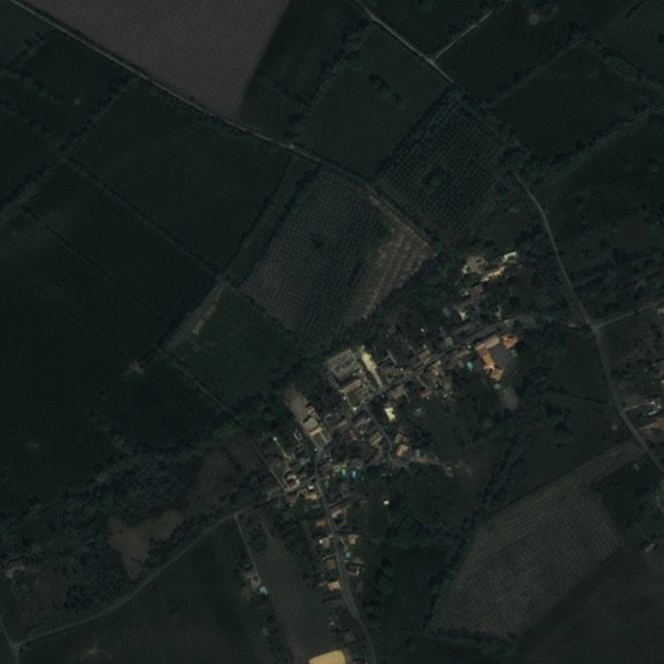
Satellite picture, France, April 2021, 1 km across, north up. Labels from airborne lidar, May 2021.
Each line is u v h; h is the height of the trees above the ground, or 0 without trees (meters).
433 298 11
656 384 0
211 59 0
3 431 0
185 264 0
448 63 0
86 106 0
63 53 0
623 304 6
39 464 0
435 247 8
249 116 0
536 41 0
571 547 0
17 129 0
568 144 0
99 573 17
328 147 0
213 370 0
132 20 0
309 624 0
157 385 0
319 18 0
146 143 0
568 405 0
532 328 0
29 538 0
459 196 0
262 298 0
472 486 0
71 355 0
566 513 0
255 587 0
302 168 0
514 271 14
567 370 0
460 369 10
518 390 0
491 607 0
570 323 14
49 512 0
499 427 20
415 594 0
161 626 0
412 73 0
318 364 15
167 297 0
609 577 0
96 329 0
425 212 0
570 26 0
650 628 0
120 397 0
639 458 0
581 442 0
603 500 0
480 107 14
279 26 0
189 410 0
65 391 0
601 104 0
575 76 0
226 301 0
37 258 0
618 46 0
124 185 0
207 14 0
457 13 0
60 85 0
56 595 0
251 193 0
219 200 0
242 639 0
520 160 17
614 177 0
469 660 0
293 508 10
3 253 0
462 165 0
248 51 0
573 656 0
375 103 0
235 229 0
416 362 0
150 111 0
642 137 0
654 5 0
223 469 0
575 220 0
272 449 7
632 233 0
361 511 11
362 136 0
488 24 0
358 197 0
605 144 9
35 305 0
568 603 0
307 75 0
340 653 0
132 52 0
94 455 0
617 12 0
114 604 11
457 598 0
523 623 0
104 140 0
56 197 0
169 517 0
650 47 0
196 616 0
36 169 0
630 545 0
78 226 0
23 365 0
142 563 6
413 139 14
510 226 0
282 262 0
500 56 0
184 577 0
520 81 17
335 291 0
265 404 19
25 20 0
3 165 0
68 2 0
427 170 0
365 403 0
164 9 0
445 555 10
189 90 0
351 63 23
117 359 0
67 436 0
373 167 0
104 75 0
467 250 12
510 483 12
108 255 0
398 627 0
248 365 0
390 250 0
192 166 0
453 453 0
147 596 0
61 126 0
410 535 20
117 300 0
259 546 14
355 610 0
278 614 0
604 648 0
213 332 0
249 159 0
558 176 12
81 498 11
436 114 9
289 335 11
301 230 0
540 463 0
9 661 0
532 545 0
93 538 7
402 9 0
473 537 20
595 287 17
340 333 0
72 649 0
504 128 16
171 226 0
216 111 0
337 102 0
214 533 0
